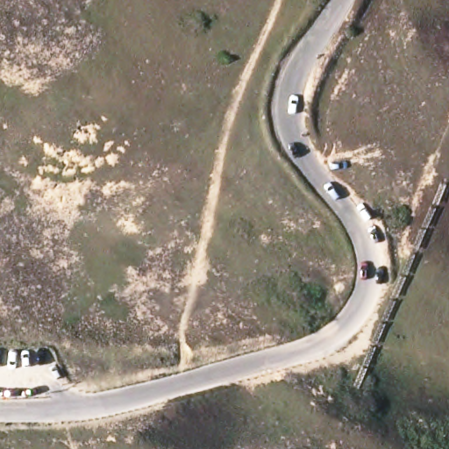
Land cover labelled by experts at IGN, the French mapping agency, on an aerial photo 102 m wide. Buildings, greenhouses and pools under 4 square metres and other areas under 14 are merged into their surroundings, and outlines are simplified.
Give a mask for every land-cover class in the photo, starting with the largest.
<instances>
[{"label":"herbaceous vegetation","instance_id":"1","mask_svg":"<svg viewBox=\"0 0 449 449\"><path fill-rule=\"evenodd\" d=\"M274 0H95L86 9H82L81 14L88 25L98 26L102 30V39H98V49L86 54V60L63 70L49 84H42L37 95L26 93L18 84L9 86L0 81V153L9 161V167L21 174L35 177L42 165V156L46 154L37 144H33V137H40L46 140L47 144L61 147L67 153L79 151L82 156L96 158L102 156L103 146L107 140L119 144L123 140H130V147L114 165H102L89 172V181L102 186L107 182L153 181L151 193L142 202V214L133 221L135 224H144L149 230V235H144L146 239L142 240L140 246L146 251H151L154 247L170 242L168 233L179 232V239H182V242L177 244L175 249L184 251L189 244L200 242L203 207L209 195L210 174L216 161L217 147L223 135L224 116L232 103L233 89L239 82L249 56L253 53L254 44L260 37L263 26L267 23ZM77 121H81L84 126L98 125L100 130L96 132L95 142H79L75 139ZM330 0H282L281 11L277 14L274 28L268 35L267 44L261 51L253 75L247 82L246 93L233 123L232 135L224 156L214 228L207 246L209 265L212 268L221 265L224 272L244 277L246 286L265 275H289L288 263L295 260H303L305 265L321 270L324 277L330 281L340 274L358 275V258L353 239H347L344 228L339 224V214L333 207H326L321 200H317L309 188L300 181L295 170L289 167L288 153L284 151L281 140L275 133L272 116L275 86L284 61L316 23L317 18L323 14ZM402 11H407V16L416 28V35L410 40L409 46L405 47L403 58H395V44L389 37L388 26L389 21L400 19ZM342 39L346 37L349 46L346 47V54L339 61L337 70H354L356 74L347 79L346 89L340 91L337 100H331L330 93L324 95L319 107V123L323 133L314 139L316 149L321 151L324 144L333 146L335 142H342V147L346 151L365 144L379 146L381 158H370L365 160L363 165L351 163V168L346 170L335 168V175L342 177L339 182L346 191L354 188L367 210L372 207L386 212L396 209L398 205H410L428 156L431 153H440V160L435 163L437 175L433 182L424 188L423 198L417 205L416 216L412 217V224L417 230H423L424 237L419 251L412 254V263L405 281L395 298L393 309L389 310L388 319L382 323L381 337L370 346L372 356L360 388H354L353 374L347 370L346 365H342L339 386L331 393L333 402L323 400L316 405V402H310L302 393L286 388V382L282 379L258 384L254 389H247L246 386L239 384L217 386L200 393L172 398L163 405V409L156 410L154 423L147 426L146 430L139 431L137 437L142 438L144 444L163 449H233V445L256 447L279 444L284 435L288 437L300 431H305L309 435L310 445L295 449H449V0H374L363 19L361 35H353L351 21H344L340 26ZM21 184L12 175L0 170V189L14 202V209L9 210V214L14 217V224L19 226L16 242H21V246L28 247L30 251L44 249L42 235L44 230L49 228L51 219L42 221L39 217L28 214L26 207H32V200L26 193L16 195L14 191Z\"/></svg>","mask_w":449,"mask_h":449},{"label":"bare soil","instance_id":"2","mask_svg":"<svg viewBox=\"0 0 449 449\"><path fill-rule=\"evenodd\" d=\"M95 0H0V81L9 86L18 84L26 93L37 95L42 84H49L63 70L86 60V54L98 49V39H102V30L98 26L88 25L81 14L82 9H86ZM389 37L395 44V58H403L405 47L409 46L410 40L416 35V28L407 16V11H402L400 19L389 21L388 26ZM356 74L354 70H337V84L330 93L331 100H337L340 91L346 89L347 79ZM75 139L79 142H95L96 132L100 130L98 125L84 126L81 121H77ZM33 144H37L46 154L65 163L63 175L75 174L79 165L82 172H89L102 165H114L130 147V140H123L119 144L107 140L103 146L102 156L96 158L82 156L79 151L67 153L61 147L47 144L46 140L40 137H33ZM0 170L12 175L21 184L14 191L16 195L26 193L32 200V207H26L28 214L39 217L42 221L51 219L49 228L44 230L42 235L44 249L30 251L28 247L21 246V242H16L19 226L14 224V217L9 214V210L14 209V202L0 189V347H4L7 353L28 351V354L46 349L47 346L58 347L68 370L67 381L70 384L93 381L100 393L179 374L177 365L181 361V344L177 339V330L188 298V286H182L181 281L186 275L188 263L195 260V254L184 251L175 249L177 244L182 242V239H179V232L168 233L170 242L154 247L151 251H146L140 246L142 240L146 239L144 235H149V230L144 224H135L133 221L142 214V202L151 193L153 181L107 182L102 186L89 181L61 184L51 179H40L44 172H58V168L53 165H42L35 177L21 174L9 167V161L0 153ZM289 275H265L246 286L244 277L224 272L221 265L212 268L209 265L207 281L196 289L195 303L189 314L186 342L191 347L193 358L186 370L224 363L237 356L272 349L316 333L326 324L335 321L346 307L356 288L358 275L340 274L330 281L324 277L321 270L305 265L303 260H295L288 263ZM342 365L314 368L309 374L291 372L282 379L286 382V388L302 393L310 402H316V405L323 400L333 402L331 393L339 386ZM156 410L140 416L126 417L123 421H118V428L79 426L60 430L0 431V449H163L144 444L142 438L137 437L139 431L146 430L147 426L154 423ZM310 445L309 435L305 431H300L288 437L284 435L279 444L256 447L233 445V449H295Z\"/></svg>","mask_w":449,"mask_h":449},{"label":"impervious surface","instance_id":"3","mask_svg":"<svg viewBox=\"0 0 449 449\"><path fill-rule=\"evenodd\" d=\"M356 0H330L323 14L317 18L316 23L284 61L275 86L272 116L275 133L281 140L284 151L288 153L289 167L295 170L300 181L309 188L317 200H321L326 207H333L339 214V224L344 228L347 239H353L358 258V275L356 288L346 307L335 321L326 324L316 333L272 349L237 356L224 363L186 370L184 374H179L100 393L93 381L70 384L67 381L68 370L58 347L47 346L46 349L28 354V351L7 353L4 347H0V431L60 430L79 426L118 428V421H123L126 417L140 416L156 410L163 409V405L172 398L200 393L217 386L239 384L246 386L247 389H254L258 384L282 379L291 372L309 374L314 368L342 365H346L347 370L353 374L354 388H360L372 356L370 346L381 337L382 323L388 319L389 310L393 309L395 298L405 281L402 277H396L395 281L388 282V270L384 267L391 265L388 242H381L382 232L379 230L384 223L381 219H372L368 216L367 210L354 188L346 191L339 182H333L331 186L324 184L323 167L310 154L316 149L314 139V130L310 125V103L324 67L328 65L331 54L342 39L340 26L344 21H351Z\"/></svg>","mask_w":449,"mask_h":449},{"label":"pervious surface","instance_id":"4","mask_svg":"<svg viewBox=\"0 0 449 449\"><path fill-rule=\"evenodd\" d=\"M282 0H274L267 23L263 26L260 37L254 44L253 53L249 56L239 82L233 89L232 103L224 116L223 135L217 147L216 161L210 174L209 195L203 207L200 242L189 244L184 251L195 254V260L188 263L186 275L181 281L182 286H188V298L177 330V339L181 344V361L177 365L179 374H184L186 370L193 358L191 347L186 342L189 314L195 303L196 289L207 281L209 265L207 246L214 228L224 156L232 135L233 123L246 93L247 82L253 75L261 51L267 44L268 35L274 28L277 14L281 11ZM374 0H356L351 21L353 35H361L363 19ZM349 46L346 37L342 39L331 54L328 65L324 67L310 103V125L314 130V139L323 133L319 123V107L324 95L330 93L337 84V70L339 61L346 54V47ZM310 154L323 167L324 184L331 186L333 182H339L342 177L335 175V168L346 170L351 168V163L363 165L365 160L370 158H381L379 146L365 144L346 151L342 147V142H335L333 146L324 144L321 151L316 149ZM440 160V153H431L428 156L410 205L412 217L416 216L417 205L423 198L424 188L433 182L437 175L435 163ZM42 165H53L58 168V172H44L40 179H51L61 184L89 181V172H82L79 165L75 174L63 175L65 163L46 154L42 156ZM396 219H386L384 223L379 230L382 232L381 242H388L391 265L384 267L388 270V282L395 281L396 277H402L405 281L412 263V254L419 251L424 237L423 230H417L412 224L403 232H398L395 228Z\"/></svg>","mask_w":449,"mask_h":449},{"label":"brushwood","instance_id":"5","mask_svg":"<svg viewBox=\"0 0 449 449\"><path fill-rule=\"evenodd\" d=\"M368 216L372 219H381L384 223L386 219H396L395 228L398 232H403L412 224V217L410 205H398L396 209L386 212L372 207L367 210Z\"/></svg>","mask_w":449,"mask_h":449}]
</instances>
